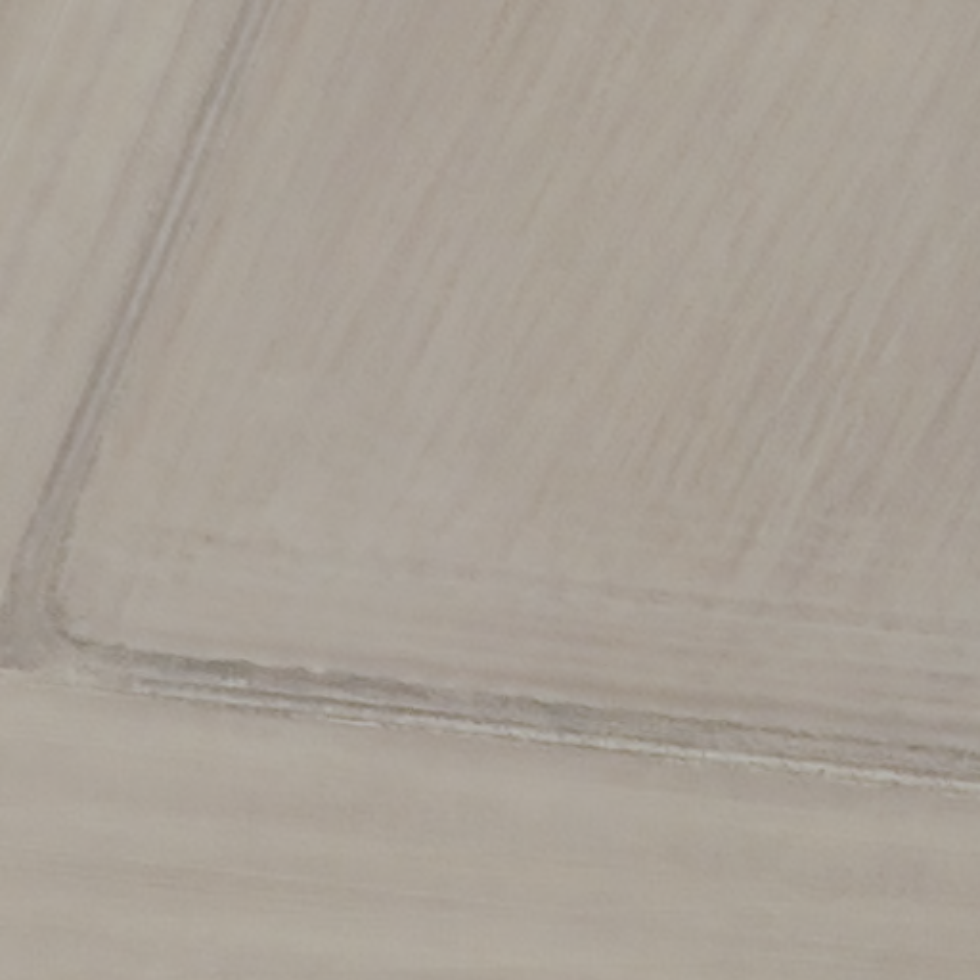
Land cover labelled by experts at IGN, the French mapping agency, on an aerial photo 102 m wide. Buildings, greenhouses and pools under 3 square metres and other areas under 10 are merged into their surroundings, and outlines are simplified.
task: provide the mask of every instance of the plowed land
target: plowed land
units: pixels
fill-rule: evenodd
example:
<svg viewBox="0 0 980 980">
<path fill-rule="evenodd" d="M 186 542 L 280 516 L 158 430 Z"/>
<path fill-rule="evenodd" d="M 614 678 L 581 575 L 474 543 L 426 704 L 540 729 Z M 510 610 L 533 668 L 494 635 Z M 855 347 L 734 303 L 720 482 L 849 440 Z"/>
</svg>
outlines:
<svg viewBox="0 0 980 980">
<path fill-rule="evenodd" d="M 980 980 L 980 0 L 0 0 L 0 980 Z"/>
</svg>

